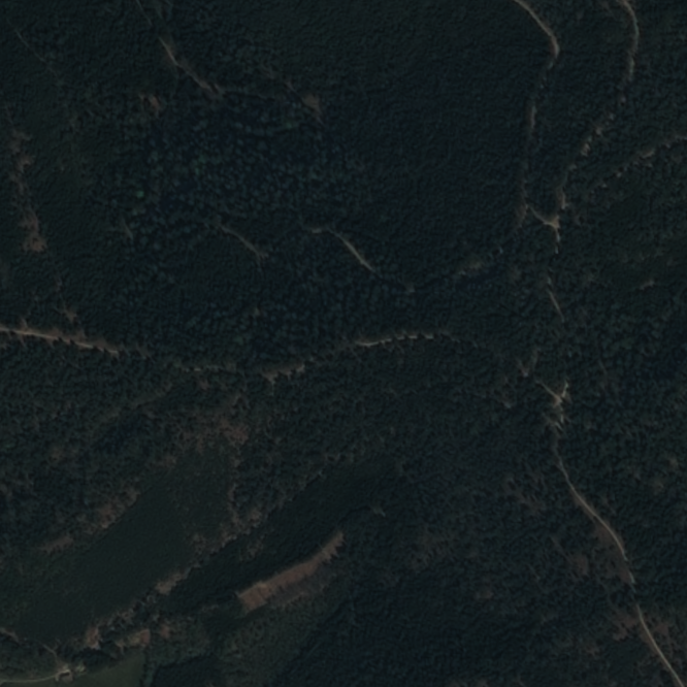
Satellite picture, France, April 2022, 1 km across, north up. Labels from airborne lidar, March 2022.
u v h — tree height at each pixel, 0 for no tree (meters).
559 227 0
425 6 13
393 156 16
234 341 24
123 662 12
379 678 10
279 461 6
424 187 15
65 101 12
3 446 21
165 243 16
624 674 9
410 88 15
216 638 6
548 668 6
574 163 15
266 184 16
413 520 10
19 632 8
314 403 23
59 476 7
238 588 15
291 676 18
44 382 13
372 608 22
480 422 23
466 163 11
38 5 14
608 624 21
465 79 14
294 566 19
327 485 12
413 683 10
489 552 20
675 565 22
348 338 6
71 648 12
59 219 13
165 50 18
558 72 10
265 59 25
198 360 21
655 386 33
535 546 23
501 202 7
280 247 12
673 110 19
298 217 16
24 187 15
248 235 15
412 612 15
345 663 9
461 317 20
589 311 30
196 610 14
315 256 6
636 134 24
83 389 15
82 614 7
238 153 32
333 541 20
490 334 10
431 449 25
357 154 16
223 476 7
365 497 23
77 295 17
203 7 9
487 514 18
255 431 7
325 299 24
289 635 11
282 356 8
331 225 21
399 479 16
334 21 14
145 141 17
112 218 8
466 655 10
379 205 17
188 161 12
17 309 13
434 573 9
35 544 8
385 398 16
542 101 9
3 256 14
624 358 22
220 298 13
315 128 10
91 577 7
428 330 14
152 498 8
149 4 27
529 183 13
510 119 13
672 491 22
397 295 29
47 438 26
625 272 11
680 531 10
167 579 7
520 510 17
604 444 18
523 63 11
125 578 9
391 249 19
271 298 14
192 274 12
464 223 15
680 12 14
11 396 23
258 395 7
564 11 16
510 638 14
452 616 10
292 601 19
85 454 10
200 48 24
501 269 20
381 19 12
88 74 30
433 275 19
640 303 13
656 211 11
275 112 21
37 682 0
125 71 18
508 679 10
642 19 8
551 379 13
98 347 0
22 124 9
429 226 12
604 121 19
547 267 24
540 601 22
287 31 14
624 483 14
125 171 13
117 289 15
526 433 23
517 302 12
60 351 13
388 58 13
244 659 5
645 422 32
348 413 19
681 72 23
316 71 11
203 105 13
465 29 14
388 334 21
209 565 15
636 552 7
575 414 15
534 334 14
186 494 7
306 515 12
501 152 11
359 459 26
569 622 22
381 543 20
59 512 7
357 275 26
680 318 13
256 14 13
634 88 17
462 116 8
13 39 13
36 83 13
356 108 15
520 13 13
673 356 11
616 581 6
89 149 11
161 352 20
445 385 13
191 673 20
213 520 8
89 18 15
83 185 7
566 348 22
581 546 19
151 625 25
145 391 19
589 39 9
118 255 11
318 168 26
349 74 10
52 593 7
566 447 17
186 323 11
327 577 26
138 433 10
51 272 9
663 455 30
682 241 31
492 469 21
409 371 17
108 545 9
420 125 11
